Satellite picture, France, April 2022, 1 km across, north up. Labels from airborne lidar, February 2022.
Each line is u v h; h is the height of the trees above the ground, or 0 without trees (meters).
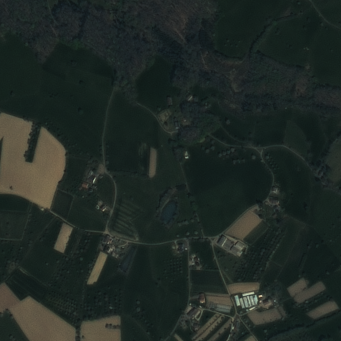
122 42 36
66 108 0
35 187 0
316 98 29
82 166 0
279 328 0
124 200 0
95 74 0
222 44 0
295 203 0
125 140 0
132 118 0
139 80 0
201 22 32
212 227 0
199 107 22
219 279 0
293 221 0
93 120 0
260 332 0
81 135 0
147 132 0
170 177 0
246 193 0
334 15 0
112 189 0
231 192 0
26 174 0
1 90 0
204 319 0
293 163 0
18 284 0
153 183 0
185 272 0
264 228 0
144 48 38
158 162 0
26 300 0
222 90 27
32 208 0
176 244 0
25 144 0
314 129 0
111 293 0
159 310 0
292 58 0
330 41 0
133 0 26
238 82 0
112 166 0
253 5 0
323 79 0
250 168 0
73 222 0
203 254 0
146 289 0
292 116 0
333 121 0
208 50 14
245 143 13
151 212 0
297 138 0
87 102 0
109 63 18
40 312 0
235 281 0
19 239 0
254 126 0
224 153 11
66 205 0
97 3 0
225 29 0
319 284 0
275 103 19
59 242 0
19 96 0
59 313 0
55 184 0
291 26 0
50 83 0
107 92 0
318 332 0
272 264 0
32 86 0
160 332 0
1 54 0
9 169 0
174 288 0
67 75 0
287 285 0
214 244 0
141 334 0
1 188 0
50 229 0
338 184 0
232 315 0
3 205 0
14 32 26
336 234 0
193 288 0
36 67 0
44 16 33
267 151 0
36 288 0
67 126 0
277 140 0
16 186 0
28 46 20
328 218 0
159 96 0
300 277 0
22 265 0
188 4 37
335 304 0
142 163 0
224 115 0
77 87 0
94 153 0
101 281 0
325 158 20
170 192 18
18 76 0
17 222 0
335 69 0
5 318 0
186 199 0
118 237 0
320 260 0
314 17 0
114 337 0
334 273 0
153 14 38
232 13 0
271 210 0
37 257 0
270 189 0
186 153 19
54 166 0
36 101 0
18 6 36
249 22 0
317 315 0
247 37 0
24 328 0
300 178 0
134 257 0
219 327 0
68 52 0
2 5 35
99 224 0
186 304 0
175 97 0
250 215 0
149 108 0
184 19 36
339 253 0
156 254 0
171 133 0
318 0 0
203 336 0
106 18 38
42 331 0
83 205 0
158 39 20
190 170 0
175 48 23
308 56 0
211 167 0
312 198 0
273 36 0
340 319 0
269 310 0
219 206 0
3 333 0
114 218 0
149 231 0
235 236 0
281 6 0
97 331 0
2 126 0
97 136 0
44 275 0
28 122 9
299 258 0
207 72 22
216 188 0
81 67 0
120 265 0
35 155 0
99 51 25
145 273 0
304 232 0
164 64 0
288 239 0
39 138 0
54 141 0
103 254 0
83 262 0
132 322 0
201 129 23
